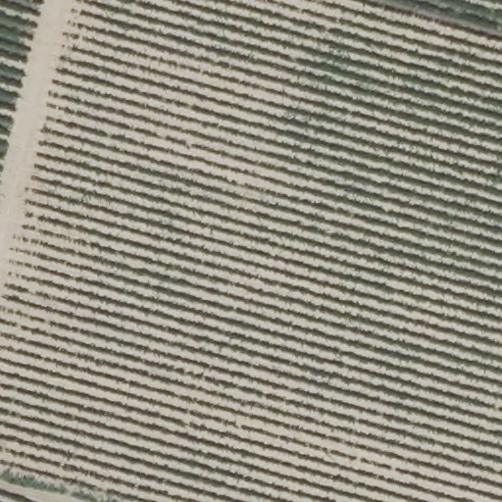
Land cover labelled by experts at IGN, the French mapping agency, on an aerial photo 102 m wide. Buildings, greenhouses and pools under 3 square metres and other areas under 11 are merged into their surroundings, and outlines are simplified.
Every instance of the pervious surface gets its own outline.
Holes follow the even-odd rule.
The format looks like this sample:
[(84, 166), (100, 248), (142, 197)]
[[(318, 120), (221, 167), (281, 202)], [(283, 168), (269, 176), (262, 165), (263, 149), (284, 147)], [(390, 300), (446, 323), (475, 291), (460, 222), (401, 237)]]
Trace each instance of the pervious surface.
[(18, 284), (24, 288), (27, 286), (27, 280), (24, 278), (8, 278), (8, 271), (27, 276), (37, 276), (39, 273), (8, 263), (12, 253), (10, 247), (22, 247), (24, 243), (12, 239), (12, 235), (33, 237), (41, 241), (47, 241), (49, 237), (39, 231), (27, 231), (22, 227), (25, 212), (33, 212), (35, 208), (27, 206), (25, 200), (37, 200), (39, 196), (35, 192), (25, 192), (24, 188), (41, 188), (41, 182), (31, 180), (31, 176), (43, 176), (43, 171), (35, 169), (35, 163), (39, 159), (37, 153), (59, 155), (59, 149), (41, 147), (39, 141), (43, 139), (41, 127), (45, 116), (57, 118), (61, 112), (47, 108), (47, 104), (65, 106), (67, 102), (59, 98), (49, 98), (49, 92), (55, 86), (53, 80), (63, 80), (65, 76), (57, 73), (61, 61), (59, 57), (73, 57), (73, 45), (110, 57), (118, 57), (120, 53), (86, 41), (63, 37), (63, 31), (78, 33), (84, 37), (92, 37), (94, 33), (78, 29), (69, 22), (96, 25), (98, 22), (92, 18), (71, 14), (71, 8), (75, 8), (100, 14), (100, 8), (78, 4), (76, 0), (43, 0), (43, 4), (39, 6), (39, 22), (35, 27), (33, 39), (25, 39), (25, 45), (29, 47), (25, 61), (27, 65), (24, 69), (22, 88), (16, 100), (16, 112), (12, 116), (14, 124), (8, 135), (8, 151), (4, 155), (0, 175), (0, 318), (24, 324), (25, 318), (16, 316), (16, 310), (29, 314), (31, 310), (27, 306), (4, 298), (10, 294), (10, 288), (6, 288), (6, 284)]

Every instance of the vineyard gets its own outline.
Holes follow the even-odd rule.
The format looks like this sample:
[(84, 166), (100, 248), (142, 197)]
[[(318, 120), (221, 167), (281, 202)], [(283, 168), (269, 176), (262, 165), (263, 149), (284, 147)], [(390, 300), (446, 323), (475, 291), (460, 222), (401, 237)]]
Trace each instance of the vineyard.
[(25, 61), (29, 47), (25, 45), (25, 39), (33, 39), (35, 27), (39, 22), (39, 6), (43, 4), (43, 0), (0, 0), (0, 175), (4, 155), (8, 151), (8, 135), (14, 124), (12, 116), (16, 112), (16, 100), (22, 88), (24, 69), (27, 65)]
[(27, 306), (31, 310), (29, 314), (16, 310), (16, 316), (25, 318), (24, 324), (0, 318), (0, 502), (502, 502), (502, 0), (76, 0), (78, 4), (100, 8), (100, 14), (75, 8), (71, 8), (71, 14), (92, 18), (98, 22), (96, 25), (69, 22), (78, 29), (94, 33), (92, 37), (84, 37), (78, 33), (63, 31), (63, 37), (86, 41), (120, 53), (118, 57), (110, 57), (73, 45), (73, 57), (59, 57), (61, 61), (57, 73), (65, 76), (63, 80), (53, 80), (55, 86), (49, 92), (49, 98), (59, 98), (67, 102), (65, 106), (47, 104), (47, 108), (61, 112), (57, 118), (45, 116), (41, 127), (43, 139), (39, 141), (41, 147), (59, 149), (59, 155), (37, 153), (39, 159), (35, 163), (35, 169), (43, 171), (43, 176), (31, 176), (31, 180), (41, 182), (41, 188), (24, 188), (25, 192), (35, 192), (39, 196), (37, 200), (25, 200), (27, 206), (35, 208), (33, 212), (25, 212), (22, 227), (27, 231), (39, 231), (49, 237), (47, 241), (41, 241), (33, 237), (12, 235), (12, 239), (24, 243), (22, 247), (10, 247), (12, 253), (8, 263), (39, 273), (37, 276), (27, 276), (8, 271), (8, 278), (24, 278), (27, 280), (27, 286), (24, 288), (18, 284), (6, 284), (6, 288), (10, 288), (10, 294), (4, 298)]

